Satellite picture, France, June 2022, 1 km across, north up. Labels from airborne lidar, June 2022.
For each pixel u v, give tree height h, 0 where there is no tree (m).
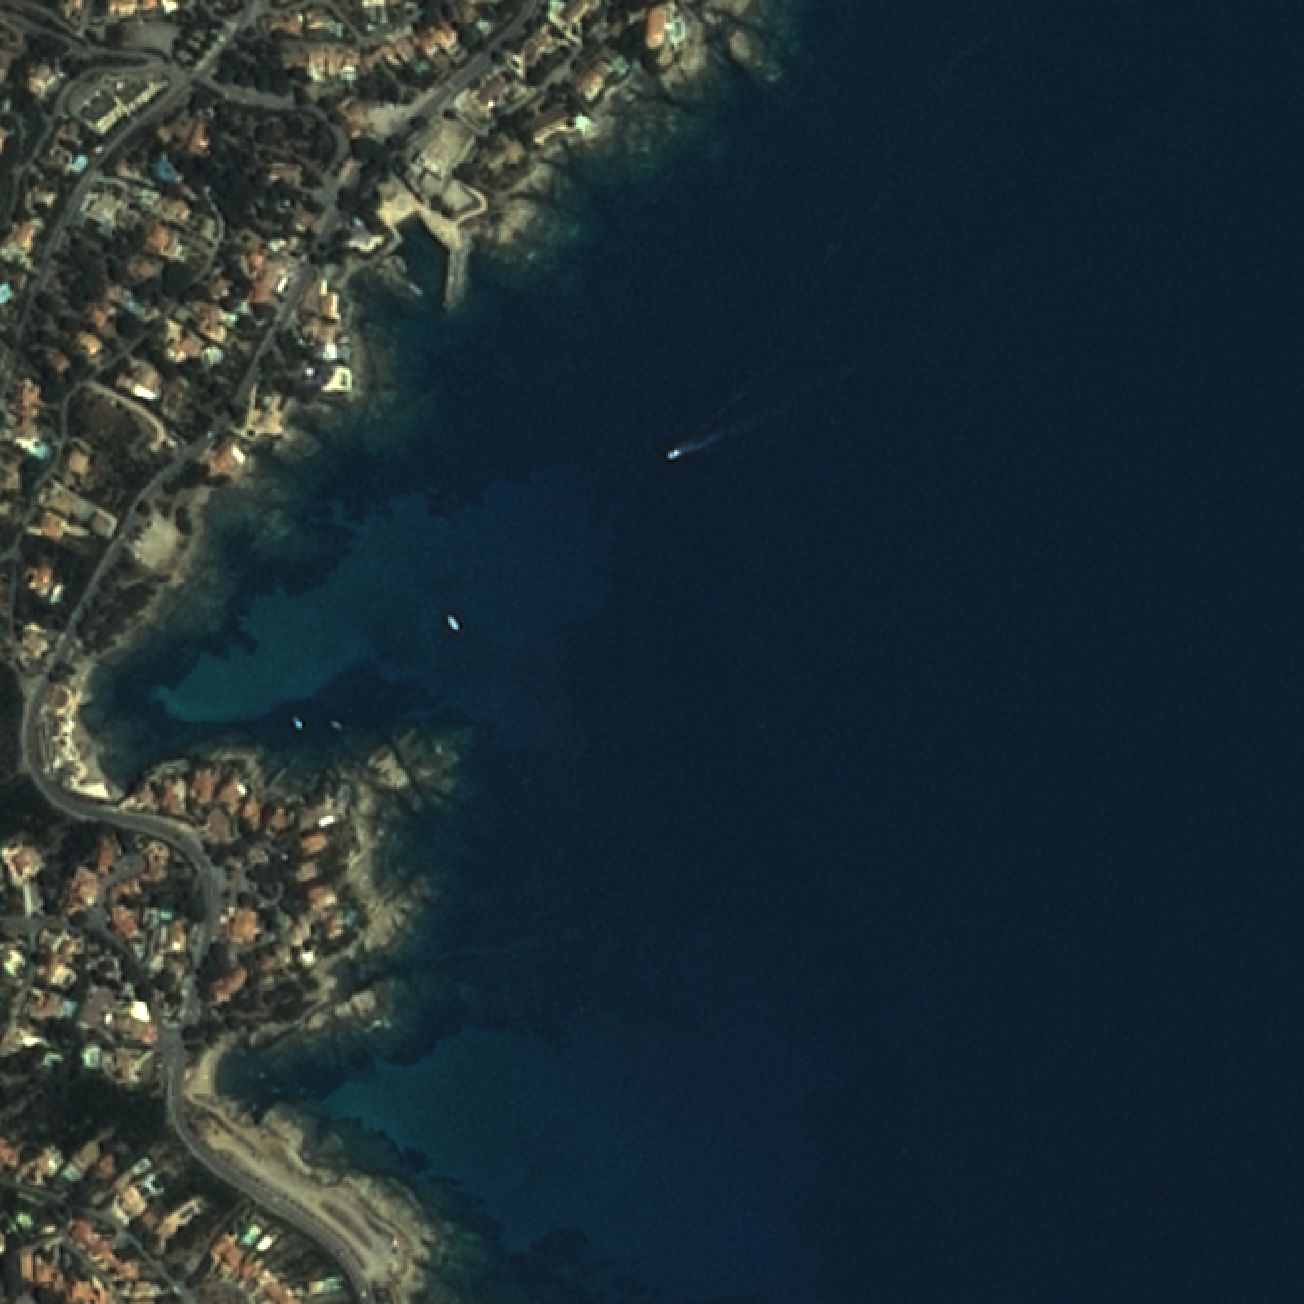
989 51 0
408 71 7
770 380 0
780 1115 0
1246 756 0
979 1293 0
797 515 0
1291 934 0
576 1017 0
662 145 0
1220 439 0
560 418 0
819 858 0
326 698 0
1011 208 0
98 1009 0
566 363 0
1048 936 0
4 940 11
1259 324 0
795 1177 0
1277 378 0
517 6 11
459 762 0
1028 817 0
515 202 0
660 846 0
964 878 0
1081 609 0
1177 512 0
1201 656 0
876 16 0
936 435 0
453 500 0
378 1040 0
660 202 0
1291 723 0
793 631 0
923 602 0
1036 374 0
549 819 0
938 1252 0
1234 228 0
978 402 0
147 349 12
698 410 0
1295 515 0
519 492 0
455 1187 0
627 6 7
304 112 7
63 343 14
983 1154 0
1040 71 0
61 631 6
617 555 0
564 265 0
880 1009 0
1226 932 0
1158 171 0
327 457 0
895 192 0
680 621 0
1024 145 0
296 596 0
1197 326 0
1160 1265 0
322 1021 0
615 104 0
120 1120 6
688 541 0
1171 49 0
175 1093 0
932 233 0
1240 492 0
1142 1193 0
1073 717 0
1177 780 0
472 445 0
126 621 5
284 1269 0
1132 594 0
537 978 0
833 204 0
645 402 0
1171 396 0
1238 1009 0
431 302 0
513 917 0
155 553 0
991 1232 0
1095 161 0
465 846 0
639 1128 0
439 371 0
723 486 0
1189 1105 0
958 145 0
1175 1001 0
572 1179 0
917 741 0
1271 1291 0
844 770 0
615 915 0
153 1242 8
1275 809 0
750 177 0
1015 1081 0
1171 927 0
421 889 0
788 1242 0
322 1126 0
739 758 0
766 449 0
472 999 0
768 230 0
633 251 0
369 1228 0
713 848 0
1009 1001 0
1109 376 0
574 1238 0
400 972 0
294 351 8
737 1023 0
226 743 0
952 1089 0
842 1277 0
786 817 0
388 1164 0
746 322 0
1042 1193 0
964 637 0
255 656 0
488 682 0
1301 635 0
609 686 0
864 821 0
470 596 0
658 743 0
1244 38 0
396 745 0
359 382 0
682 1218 0
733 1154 0
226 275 9
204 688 0
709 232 0
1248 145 0
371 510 0
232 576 0
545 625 0
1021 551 0
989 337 0
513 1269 0
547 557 0
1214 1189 0
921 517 0
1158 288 0
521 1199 0
